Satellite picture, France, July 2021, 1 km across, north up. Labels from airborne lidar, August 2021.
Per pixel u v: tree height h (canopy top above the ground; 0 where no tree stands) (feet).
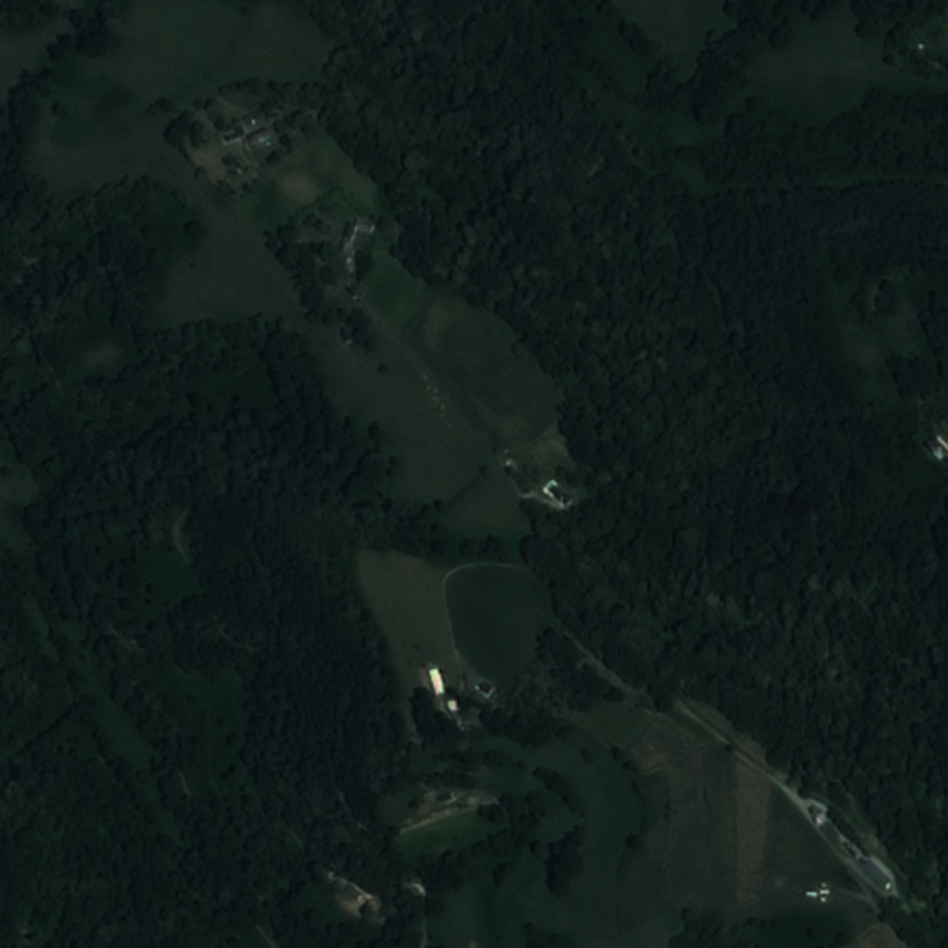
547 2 60
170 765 32
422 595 0
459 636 0
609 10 65
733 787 0
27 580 20
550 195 73
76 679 64
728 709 68
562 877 89
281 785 56
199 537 43
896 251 68
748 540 94
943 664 86
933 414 36
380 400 0
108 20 76
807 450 85
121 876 74
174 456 83
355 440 81
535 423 0
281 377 99
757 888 0
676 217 73
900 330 0
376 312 0
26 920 103
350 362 0
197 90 0
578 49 31
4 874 76
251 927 42
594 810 0
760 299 61
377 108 58
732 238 53
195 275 0
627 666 79
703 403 81
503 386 0
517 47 70
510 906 0
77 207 56
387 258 0
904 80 0
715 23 0
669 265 83
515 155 91
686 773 0
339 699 51
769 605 81
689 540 96
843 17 0
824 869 0
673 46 0
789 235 58
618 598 74
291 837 28
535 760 0
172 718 52
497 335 0
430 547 41
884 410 24
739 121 57
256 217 0
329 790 58
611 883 0
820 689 77
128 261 64
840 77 0
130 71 0
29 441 68
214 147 0
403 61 84
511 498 0
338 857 56
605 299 68
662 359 60
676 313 91
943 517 25
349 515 73
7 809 81
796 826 0
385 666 45
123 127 0
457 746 52
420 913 70
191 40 0
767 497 32
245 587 64
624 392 95
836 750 105
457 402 0
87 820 66
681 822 0
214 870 64
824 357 44
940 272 22
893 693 80
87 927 35
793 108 0
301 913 79
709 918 0
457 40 89
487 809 48
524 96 55
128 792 42
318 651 76
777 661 70
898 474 24
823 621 97
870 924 0
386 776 38
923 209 61
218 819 42
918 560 27
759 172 30
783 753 70
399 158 22
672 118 0
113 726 0
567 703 57
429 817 0
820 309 31
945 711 72
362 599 24
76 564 84
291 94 48
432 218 67
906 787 82
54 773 68
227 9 0
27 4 86
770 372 38
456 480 0
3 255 53
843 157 23
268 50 0
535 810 33
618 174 96
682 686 77
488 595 0
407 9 85
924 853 64
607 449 81
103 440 107
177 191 25
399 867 56
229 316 0
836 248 77
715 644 82
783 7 44
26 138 84
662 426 22
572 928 0
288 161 0
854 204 67
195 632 67
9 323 82
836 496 72
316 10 61
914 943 59
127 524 54
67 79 30
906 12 29
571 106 73
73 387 20
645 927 0
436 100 36
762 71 0
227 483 48
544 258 87
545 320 87
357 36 80
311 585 78
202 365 84
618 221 97
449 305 0
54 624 31
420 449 0
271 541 53
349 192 28
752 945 61
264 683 74
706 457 76
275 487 96
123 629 74
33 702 50
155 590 50
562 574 73
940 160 73
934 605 80
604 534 22
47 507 29
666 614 94
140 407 42
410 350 0
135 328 56
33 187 69
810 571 39
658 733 0
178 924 88
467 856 24
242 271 0
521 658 0
